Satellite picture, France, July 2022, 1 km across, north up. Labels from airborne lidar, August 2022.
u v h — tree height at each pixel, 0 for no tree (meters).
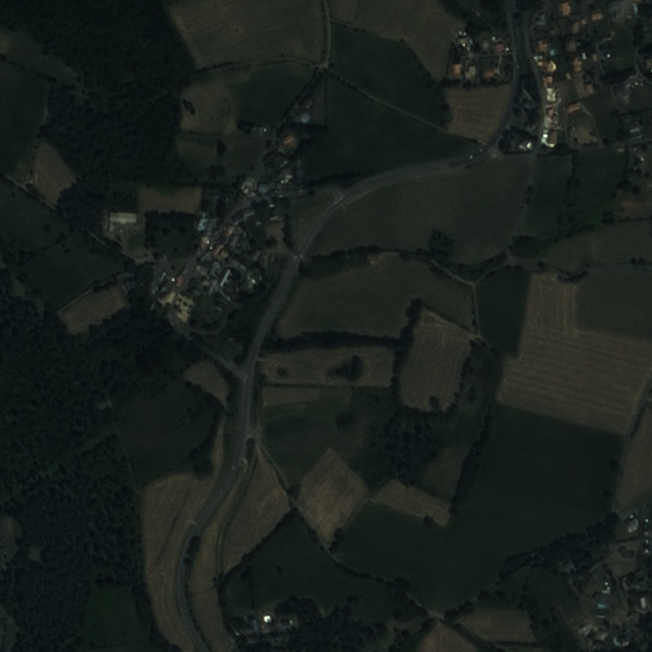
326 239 0
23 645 20
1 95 0
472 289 0
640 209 0
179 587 0
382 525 0
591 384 0
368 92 0
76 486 21
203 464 18
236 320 7
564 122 0
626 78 7
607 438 0
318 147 0
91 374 18
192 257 0
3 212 0
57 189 0
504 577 13
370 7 0
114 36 6
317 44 0
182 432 0
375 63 0
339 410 0
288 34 0
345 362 0
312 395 0
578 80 0
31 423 8
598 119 0
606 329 0
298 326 0
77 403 12
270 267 0
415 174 0
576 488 0
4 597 9
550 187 0
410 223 0
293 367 0
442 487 0
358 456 0
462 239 0
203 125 0
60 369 8
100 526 27
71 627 20
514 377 0
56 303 0
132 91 10
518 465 0
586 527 0
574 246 0
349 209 0
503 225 0
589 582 6
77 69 8
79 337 7
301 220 0
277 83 0
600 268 0
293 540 0
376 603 0
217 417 12
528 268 0
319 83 12
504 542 0
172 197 0
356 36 0
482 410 0
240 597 0
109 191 14
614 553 0
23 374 12
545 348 0
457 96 0
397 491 0
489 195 0
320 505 0
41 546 9
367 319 0
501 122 0
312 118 0
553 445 0
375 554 0
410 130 0
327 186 11
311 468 0
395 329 0
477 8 0
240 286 7
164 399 0
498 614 0
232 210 0
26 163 0
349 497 0
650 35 0
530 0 18
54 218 8
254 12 0
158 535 0
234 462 0
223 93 0
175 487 0
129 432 0
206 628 0
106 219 0
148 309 8
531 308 0
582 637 0
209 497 0
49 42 13
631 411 0
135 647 0
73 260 0
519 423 0
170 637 0
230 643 0
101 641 0
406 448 14
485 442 14
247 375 0
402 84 0
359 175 10
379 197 0
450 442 0
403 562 0
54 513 21
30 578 28
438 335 0
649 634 14
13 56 0
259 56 0
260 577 0
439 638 0
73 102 7
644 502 0
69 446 15
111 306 0
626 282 0
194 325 13
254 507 0
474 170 0
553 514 0
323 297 0
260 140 0
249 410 0
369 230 0
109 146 6
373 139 0
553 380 0
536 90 11
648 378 0
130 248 0
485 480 0
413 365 0
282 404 0
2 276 18
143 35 9
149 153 8
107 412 14
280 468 0
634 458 0
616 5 0
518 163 0
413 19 0
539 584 0
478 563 0
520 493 0
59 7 8
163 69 9
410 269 0
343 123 0
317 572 0
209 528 0
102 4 9
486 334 0
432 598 0
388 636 0
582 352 0
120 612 0
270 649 15
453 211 0
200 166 0
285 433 0
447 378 0
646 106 0
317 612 18
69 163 11
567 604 0
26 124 0
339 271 0
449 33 0
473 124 0
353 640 21
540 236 0
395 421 13
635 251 0
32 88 0
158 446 0
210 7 0
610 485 0
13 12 9
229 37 0
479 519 0
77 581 22
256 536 0
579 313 0
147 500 0
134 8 13
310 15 0
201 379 0
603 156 0
